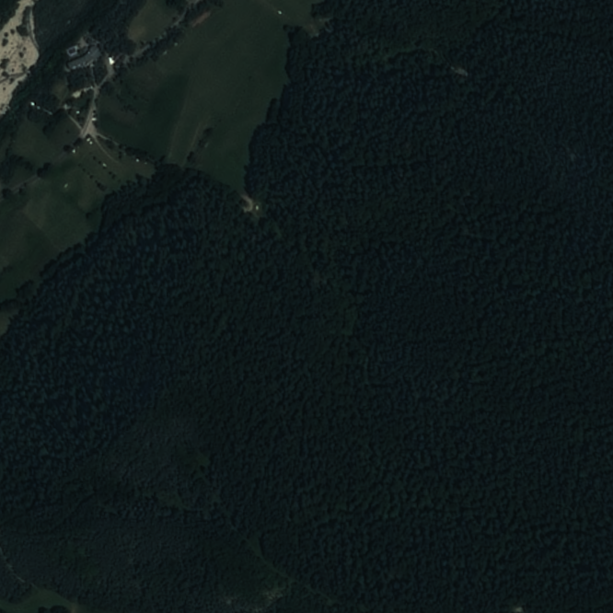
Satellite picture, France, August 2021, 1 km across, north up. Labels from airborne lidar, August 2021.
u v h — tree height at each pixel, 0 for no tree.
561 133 20
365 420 27
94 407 21
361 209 24
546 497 12
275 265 12
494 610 13
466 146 19
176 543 13
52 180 0
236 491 25
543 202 15
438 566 10
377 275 18
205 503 16
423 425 27
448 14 16
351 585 16
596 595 22
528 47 19
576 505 17
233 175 0
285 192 30
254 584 16
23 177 0
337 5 18
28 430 11
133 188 13
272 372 23
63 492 21
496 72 8
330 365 19
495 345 19
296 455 20
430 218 21
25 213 0
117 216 18
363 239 26
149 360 14
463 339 20
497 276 20
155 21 0
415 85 7
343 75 12
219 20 0
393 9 20
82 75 12
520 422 19
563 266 14
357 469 31
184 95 0
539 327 23
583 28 27
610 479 12
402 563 22
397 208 18
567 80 15
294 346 29
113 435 11
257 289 26
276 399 16
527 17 25
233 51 0
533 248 8
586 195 14
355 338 20
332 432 25
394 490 34
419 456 23
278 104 12
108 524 13
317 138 31
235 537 20
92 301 8
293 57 15
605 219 16
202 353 19
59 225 0
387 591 22
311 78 20
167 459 19
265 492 27
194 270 17
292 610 19
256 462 29
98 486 21
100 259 26
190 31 0
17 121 8
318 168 32
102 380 17
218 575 21
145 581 15
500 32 32
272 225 24
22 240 0
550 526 25
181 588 25
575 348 12
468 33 25
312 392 23
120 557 14
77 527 16
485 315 10
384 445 28
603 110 10
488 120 21
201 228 23
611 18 17
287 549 21
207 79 0
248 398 19
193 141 0
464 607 14
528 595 18
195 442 17
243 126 0
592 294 22
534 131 17
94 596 12
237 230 27
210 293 21
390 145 28
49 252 0
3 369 19
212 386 16
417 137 20
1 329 0
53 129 7
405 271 12
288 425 18
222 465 21
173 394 13
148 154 11
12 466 11
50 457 12
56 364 15
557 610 14
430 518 25
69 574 16
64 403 20
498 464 24
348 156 30
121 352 23
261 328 20
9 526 13
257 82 0
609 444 20
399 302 17
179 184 18
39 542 8
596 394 18
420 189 18
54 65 18
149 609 14
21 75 0
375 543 20
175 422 13
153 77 0
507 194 25
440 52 9
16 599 10
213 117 0
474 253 15
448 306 19
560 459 22
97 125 7
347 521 21
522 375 14
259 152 23
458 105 25
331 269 22
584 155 15
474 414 20
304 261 27
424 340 19
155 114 0
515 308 16
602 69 16
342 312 23
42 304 18
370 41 24
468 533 23
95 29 11
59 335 13
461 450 27
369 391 22
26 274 0
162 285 17
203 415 16
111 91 6
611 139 14
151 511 13
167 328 16
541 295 17
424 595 28
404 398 21
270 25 0
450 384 16
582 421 17
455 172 21
